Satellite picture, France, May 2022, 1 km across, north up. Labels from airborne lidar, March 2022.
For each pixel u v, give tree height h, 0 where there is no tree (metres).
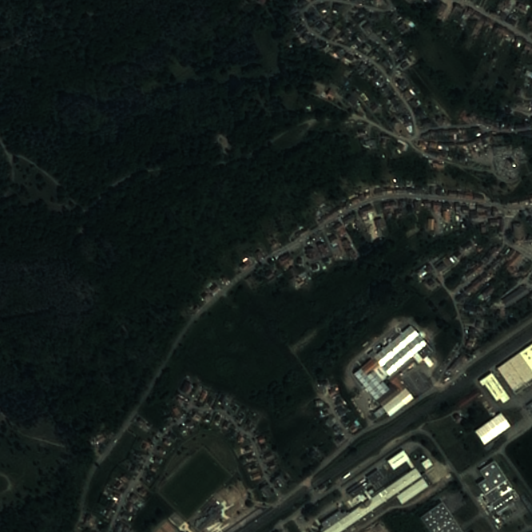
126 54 11
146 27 25
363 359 0
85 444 8
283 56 6
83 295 22
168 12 15
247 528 0
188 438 0
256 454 0
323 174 9
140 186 13
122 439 0
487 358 0
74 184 7
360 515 0
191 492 0
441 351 0
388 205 0
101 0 19
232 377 0
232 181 12
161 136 21
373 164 16
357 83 0
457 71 0
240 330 0
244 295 0
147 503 0
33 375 35
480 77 0
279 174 7
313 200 0
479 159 0
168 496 0
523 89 0
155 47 25
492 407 0
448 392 0
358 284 0
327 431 0
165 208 21
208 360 0
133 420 0
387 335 0
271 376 0
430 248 6
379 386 0
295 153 16
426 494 0
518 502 0
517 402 0
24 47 6
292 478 0
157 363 13
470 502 0
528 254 0
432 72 15
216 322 0
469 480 0
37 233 16
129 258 23
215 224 24
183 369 0
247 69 17
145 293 23
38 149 9
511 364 0
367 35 0
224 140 0
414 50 0
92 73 21
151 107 25
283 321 0
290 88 16
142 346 21
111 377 23
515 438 0
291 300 0
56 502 20
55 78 23
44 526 20
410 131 0
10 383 23
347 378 0
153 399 10
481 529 0
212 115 20
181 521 0
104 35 22
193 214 20
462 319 0
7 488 0
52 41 19
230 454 0
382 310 0
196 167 20
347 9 0
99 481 0
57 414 29
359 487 0
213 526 0
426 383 0
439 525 0
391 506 0
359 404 0
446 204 0
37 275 19
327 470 0
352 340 6
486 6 0
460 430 0
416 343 0
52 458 0
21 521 25
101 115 23
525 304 0
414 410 0
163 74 24
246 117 13
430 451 0
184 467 0
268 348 0
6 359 22
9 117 20
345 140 11
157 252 19
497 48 0
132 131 26
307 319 0
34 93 19
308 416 0
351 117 0
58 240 15
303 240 0
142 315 9
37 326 21
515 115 0
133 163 8
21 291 18
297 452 0
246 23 20
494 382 0
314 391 0
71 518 22
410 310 0
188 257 18
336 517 0
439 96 0
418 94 0
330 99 6
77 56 13
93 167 18
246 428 0
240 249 0
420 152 0
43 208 14
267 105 10
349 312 8
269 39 0
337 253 0
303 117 14
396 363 0
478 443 0
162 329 21
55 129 21
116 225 22
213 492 0
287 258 0
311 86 16
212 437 0
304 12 0
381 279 5
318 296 0
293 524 0
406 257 0
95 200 18
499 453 0
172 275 25
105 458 0
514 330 0
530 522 0
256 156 16
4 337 19
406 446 0
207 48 21
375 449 0
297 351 0
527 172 0
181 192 17
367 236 0
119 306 24
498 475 0
